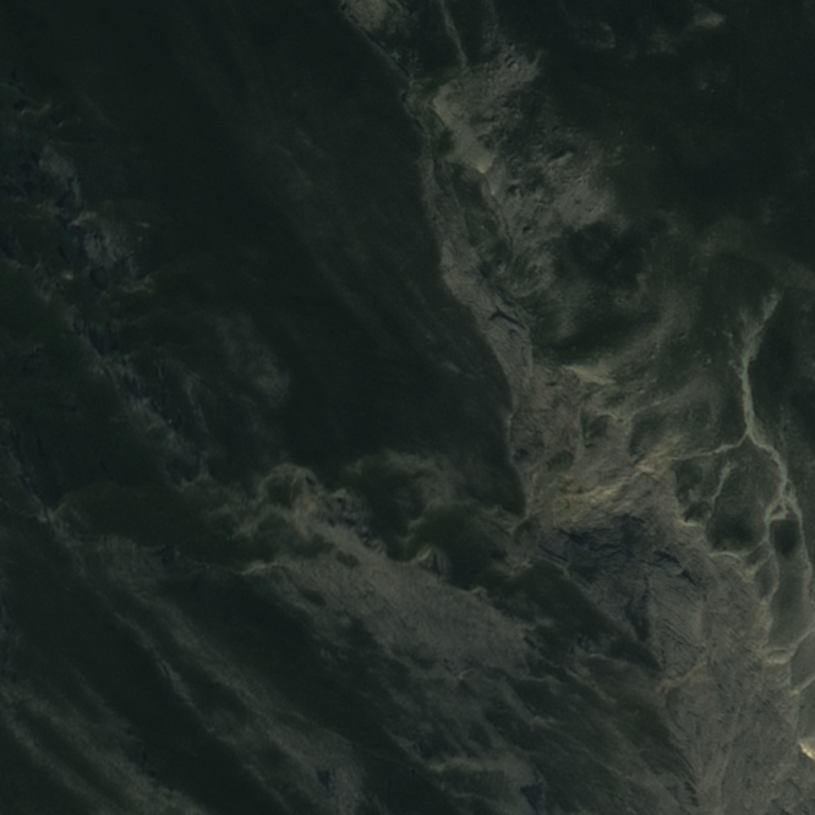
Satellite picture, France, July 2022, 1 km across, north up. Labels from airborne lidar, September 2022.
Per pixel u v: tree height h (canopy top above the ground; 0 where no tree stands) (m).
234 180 0
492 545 0
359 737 0
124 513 0
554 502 0
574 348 0
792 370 0
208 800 0
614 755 0
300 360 0
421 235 0
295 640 0
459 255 0
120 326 0
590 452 0
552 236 0
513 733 0
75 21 0
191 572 0
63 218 8
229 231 0
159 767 0
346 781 0
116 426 0
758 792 0
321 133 0
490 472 0
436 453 0
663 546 0
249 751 0
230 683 0
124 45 0
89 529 0
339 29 0
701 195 0
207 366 0
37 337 0
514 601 0
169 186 0
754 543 0
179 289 0
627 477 0
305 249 0
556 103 0
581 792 0
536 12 0
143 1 0
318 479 0
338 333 0
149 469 0
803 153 0
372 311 0
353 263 0
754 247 0
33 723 0
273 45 0
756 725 0
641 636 0
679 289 0
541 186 0
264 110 0
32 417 0
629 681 0
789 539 0
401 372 0
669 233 0
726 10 0
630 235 0
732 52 0
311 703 0
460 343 0
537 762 0
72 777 0
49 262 0
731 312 0
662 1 0
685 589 0
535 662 0
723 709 0
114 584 0
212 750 0
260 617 0
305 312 0
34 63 0
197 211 0
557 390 0
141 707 0
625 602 0
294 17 0
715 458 0
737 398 0
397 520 0
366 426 0
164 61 0
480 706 0
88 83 0
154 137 0
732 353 0
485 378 0
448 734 0
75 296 0
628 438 0
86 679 0
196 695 0
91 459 0
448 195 0
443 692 0
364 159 0
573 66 0
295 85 0
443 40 0
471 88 0
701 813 0
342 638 0
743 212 0
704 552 0
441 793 0
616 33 0
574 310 0
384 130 0
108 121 0
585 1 0
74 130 0
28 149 0
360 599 0
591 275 0
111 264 0
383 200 0
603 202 0
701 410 0
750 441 0
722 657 0
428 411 0
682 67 0
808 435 0
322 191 0
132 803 0
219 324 0
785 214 0
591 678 0
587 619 0
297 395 0
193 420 0
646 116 0
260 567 0
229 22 0
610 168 0
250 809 0
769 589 0
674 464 0
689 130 0
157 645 0
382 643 0
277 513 0
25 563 0
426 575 0
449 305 0
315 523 0
